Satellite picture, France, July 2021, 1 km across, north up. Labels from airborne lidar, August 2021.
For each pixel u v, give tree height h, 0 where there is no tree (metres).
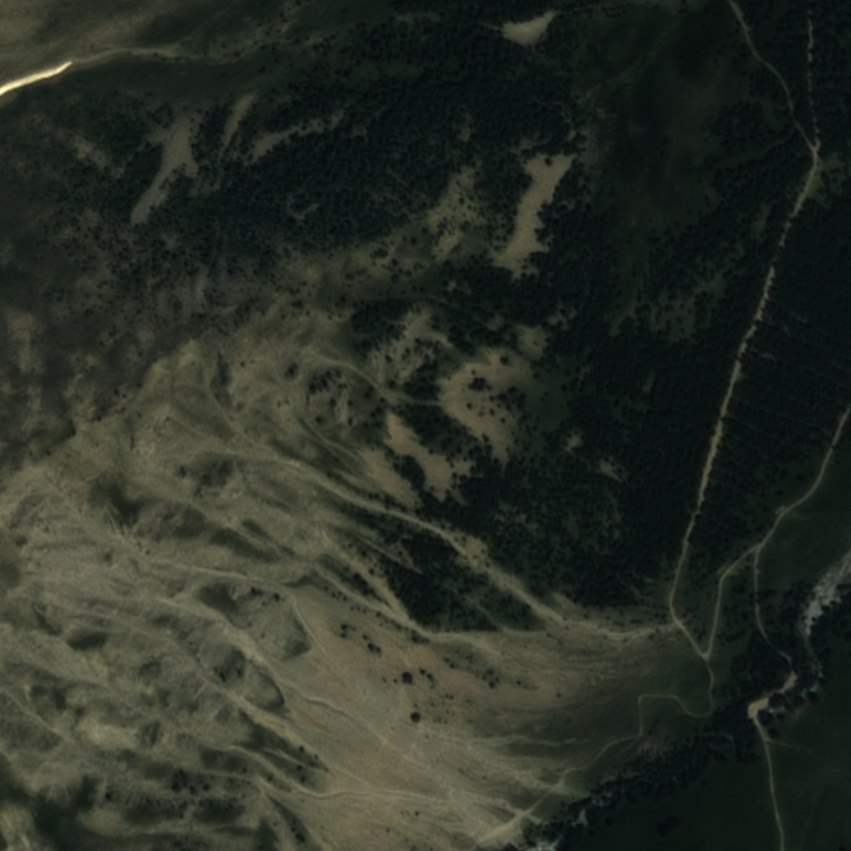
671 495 11
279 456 0
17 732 0
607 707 0
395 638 0
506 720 0
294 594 0
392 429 0
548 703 0
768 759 0
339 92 6
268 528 0
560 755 0
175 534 0
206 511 0
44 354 0
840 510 0
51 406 0
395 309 13
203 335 0
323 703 0
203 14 0
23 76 0
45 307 0
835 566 0
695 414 13
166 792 0
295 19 0
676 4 0
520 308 8
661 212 0
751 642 7
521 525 8
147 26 0
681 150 0
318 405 0
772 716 15
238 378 0
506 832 0
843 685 0
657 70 0
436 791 0
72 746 0
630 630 0
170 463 0
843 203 17
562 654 0
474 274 10
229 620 0
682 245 10
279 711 0
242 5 0
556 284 13
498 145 8
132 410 0
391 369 0
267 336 0
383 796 0
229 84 0
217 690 0
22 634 0
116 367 0
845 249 18
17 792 0
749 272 9
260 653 0
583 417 9
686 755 10
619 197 0
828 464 0
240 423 0
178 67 0
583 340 10
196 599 0
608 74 0
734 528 13
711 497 12
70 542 0
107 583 0
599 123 0
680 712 0
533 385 0
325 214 13
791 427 10
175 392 0
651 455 11
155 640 0
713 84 0
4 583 0
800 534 0
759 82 10
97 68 0
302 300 8
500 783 0
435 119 13
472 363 0
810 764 0
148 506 0
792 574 0
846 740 0
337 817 0
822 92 12
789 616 8
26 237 0
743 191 12
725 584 0
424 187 8
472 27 9
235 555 0
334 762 0
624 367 13
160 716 0
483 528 10
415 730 0
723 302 12
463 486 10
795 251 15
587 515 7
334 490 0
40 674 0
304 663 0
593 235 11
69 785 0
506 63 9
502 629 0
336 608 0
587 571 7
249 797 0
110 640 0
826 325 14
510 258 0
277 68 0
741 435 11
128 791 0
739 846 0
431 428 10
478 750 0
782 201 12
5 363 0
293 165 7
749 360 17
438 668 0
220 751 0
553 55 9
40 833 0
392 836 0
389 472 0
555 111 7
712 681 0
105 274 0
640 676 0
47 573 0
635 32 0
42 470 0
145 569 0
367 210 6
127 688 0
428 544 13
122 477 0
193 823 0
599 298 13
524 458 7
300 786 0
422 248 0
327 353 0
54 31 0
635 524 11
